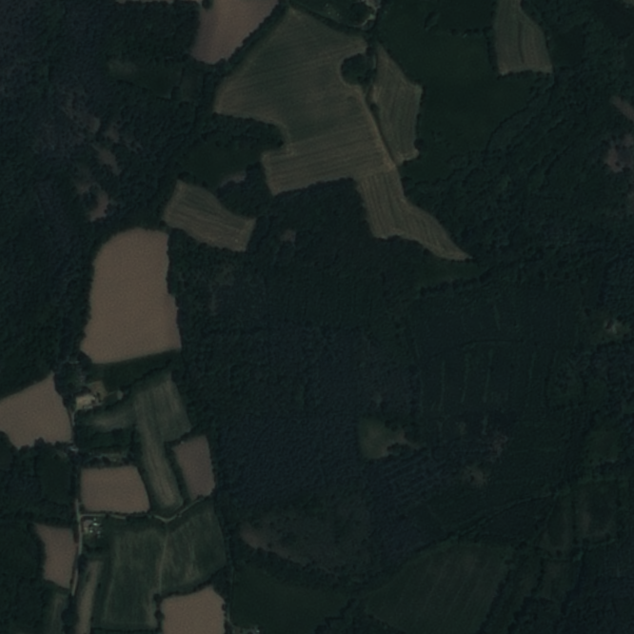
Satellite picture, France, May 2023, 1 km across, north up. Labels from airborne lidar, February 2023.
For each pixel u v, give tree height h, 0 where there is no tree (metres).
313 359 26
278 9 11
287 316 8
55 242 11
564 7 7
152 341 0
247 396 18
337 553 0
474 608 0
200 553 0
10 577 12
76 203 15
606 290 21
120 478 0
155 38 20
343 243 19
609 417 11
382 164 0
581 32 0
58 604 0
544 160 7
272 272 12
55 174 15
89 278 10
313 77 0
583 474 9
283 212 21
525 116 10
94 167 11
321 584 15
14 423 0
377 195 0
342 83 0
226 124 11
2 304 14
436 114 0
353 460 15
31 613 10
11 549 0
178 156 13
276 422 20
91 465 22
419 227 0
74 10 9
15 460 13
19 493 20
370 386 21
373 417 10
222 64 15
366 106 0
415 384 32
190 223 0
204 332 10
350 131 0
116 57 9
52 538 0
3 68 10
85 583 0
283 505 7
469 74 0
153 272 0
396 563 13
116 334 0
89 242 16
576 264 15
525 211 12
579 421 7
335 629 13
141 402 0
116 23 20
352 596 14
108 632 7
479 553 0
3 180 11
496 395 0
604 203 11
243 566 12
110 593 0
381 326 7
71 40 12
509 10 0
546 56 0
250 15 0
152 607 0
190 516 0
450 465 10
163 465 0
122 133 13
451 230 17
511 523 7
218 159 0
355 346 20
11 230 9
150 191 19
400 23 0
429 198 10
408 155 0
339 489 10
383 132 0
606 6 0
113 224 22
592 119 16
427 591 0
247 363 13
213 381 19
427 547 11
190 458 0
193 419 10
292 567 14
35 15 10
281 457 21
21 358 8
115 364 0
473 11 0
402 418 13
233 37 0
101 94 16
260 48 0
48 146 7
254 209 9
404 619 0
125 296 0
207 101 12
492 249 20
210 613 0
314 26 0
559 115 18
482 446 9
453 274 0
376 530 8
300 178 0
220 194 17
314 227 19
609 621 13
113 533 0
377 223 0
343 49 0
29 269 14
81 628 0
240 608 0
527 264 23
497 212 11
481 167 6
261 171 16
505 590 20
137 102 8
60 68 11
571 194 10
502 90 0
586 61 9
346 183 15
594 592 16
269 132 16
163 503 0
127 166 14
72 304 14
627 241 17
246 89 0
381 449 0
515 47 0
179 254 8
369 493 12
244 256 14
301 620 0
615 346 15
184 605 0
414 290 13
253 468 21
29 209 9
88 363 18
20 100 10
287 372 19
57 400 0
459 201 13
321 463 14
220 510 18
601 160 6
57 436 0
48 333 9
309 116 0
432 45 0
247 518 7
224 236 0
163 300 0
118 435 15
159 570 0
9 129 17
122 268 0
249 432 21
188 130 9
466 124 0
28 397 0
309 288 7
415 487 15
